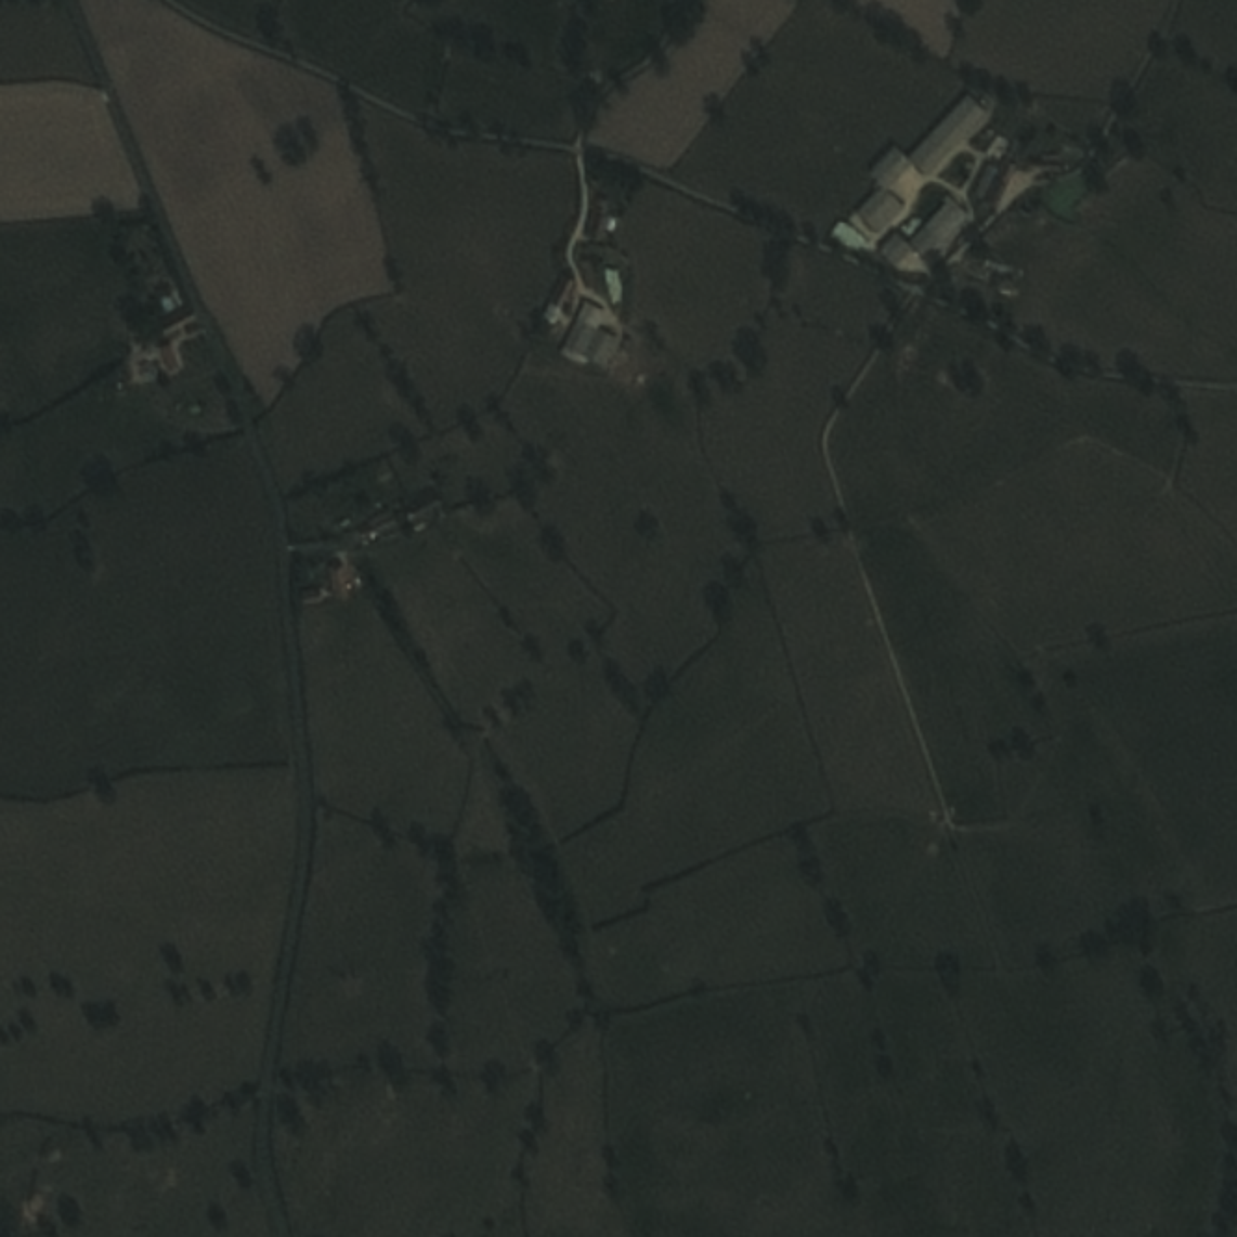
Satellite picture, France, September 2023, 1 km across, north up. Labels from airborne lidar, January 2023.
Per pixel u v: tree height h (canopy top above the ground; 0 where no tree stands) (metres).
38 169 0
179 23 0
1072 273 0
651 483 0
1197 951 0
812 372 0
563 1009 0
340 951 0
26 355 0
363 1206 0
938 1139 0
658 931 0
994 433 0
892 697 0
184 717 0
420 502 0
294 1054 0
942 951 0
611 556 0
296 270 0
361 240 0
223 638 0
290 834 0
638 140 0
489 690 0
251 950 0
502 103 0
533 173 0
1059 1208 0
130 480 0
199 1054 0
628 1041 0
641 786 0
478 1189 0
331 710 0
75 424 0
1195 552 0
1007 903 0
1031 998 0
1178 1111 0
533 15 0
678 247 0
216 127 0
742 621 0
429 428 13
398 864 0
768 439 0
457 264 0
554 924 17
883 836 0
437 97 9
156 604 0
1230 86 16
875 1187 0
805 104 0
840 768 0
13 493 0
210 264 0
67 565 0
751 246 0
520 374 0
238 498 0
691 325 0
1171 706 0
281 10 0
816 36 0
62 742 0
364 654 0
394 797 0
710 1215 0
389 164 0
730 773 0
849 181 0
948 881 0
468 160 0
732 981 0
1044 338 12
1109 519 0
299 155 14
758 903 0
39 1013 0
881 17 20
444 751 0
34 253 0
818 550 0
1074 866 0
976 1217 0
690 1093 0
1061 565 0
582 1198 0
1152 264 0
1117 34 0
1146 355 0
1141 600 0
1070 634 0
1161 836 0
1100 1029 0
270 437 0
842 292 0
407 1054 0
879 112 0
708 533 0
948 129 0
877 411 0
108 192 0
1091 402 0
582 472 0
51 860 0
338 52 0
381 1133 0
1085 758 0
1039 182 0
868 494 0
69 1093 0
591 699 0
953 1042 0
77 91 0
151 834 0
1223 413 0
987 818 0
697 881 0
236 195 0
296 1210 0
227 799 0
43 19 0
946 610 0
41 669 0
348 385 0
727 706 0
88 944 0
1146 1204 0
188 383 0
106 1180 0
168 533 0
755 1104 0
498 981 0
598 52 0
